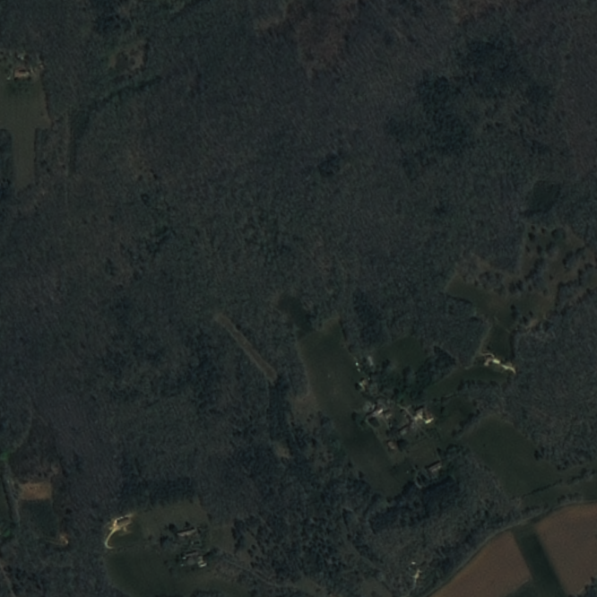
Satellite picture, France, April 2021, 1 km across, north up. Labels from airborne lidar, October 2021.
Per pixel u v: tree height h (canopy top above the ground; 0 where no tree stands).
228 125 21
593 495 0
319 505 6
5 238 14
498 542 0
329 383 0
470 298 0
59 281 18
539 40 10
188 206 20
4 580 11
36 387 20
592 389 21
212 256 8
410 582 10
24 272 18
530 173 15
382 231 19
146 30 10
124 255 11
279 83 19
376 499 14
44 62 19
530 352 21
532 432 14
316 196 19
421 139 20
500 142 14
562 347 25
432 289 22
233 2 20
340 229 20
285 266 18
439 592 0
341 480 7
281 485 9
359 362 9
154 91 18
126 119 14
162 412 23
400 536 17
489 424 0
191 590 0
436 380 18
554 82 16
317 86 18
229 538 0
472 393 22
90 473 19
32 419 18
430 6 16
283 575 16
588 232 24
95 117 21
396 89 18
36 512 14
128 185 15
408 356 0
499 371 8
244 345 0
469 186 22
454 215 23
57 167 8
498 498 13
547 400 24
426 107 21
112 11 13
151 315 20
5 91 0
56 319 21
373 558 17
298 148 19
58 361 18
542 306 0
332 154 17
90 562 22
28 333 22
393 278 20
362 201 17
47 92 16
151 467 21
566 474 0
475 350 20
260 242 17
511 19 20
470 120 21
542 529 0
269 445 17
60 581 20
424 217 22
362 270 18
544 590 0
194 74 20
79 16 18
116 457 18
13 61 14
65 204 9
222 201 19
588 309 19
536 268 8
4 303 21
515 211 21
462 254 13
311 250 18
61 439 21
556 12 12
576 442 12
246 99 17
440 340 20
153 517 0
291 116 17
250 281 19
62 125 15
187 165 15
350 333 20
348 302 24
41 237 16
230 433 15
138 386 17
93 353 14
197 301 23
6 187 7
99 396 18
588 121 12
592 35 12
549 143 10
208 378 14
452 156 21
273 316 17
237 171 12
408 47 18
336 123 17
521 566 0
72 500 18
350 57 18
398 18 18
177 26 24
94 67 22
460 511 17
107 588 18
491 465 0
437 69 17
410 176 18
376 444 0
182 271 18
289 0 20
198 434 19
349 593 6
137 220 19
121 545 0
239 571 13
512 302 0
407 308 24
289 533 15
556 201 8
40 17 19
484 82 16
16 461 6
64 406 20
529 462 0
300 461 15
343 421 0
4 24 18
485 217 16
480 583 0
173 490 22
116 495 16
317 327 20
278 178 20
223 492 21
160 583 0
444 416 7
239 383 19
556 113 9
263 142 20
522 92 15
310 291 21
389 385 7
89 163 14
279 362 19
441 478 7
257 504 15
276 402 17
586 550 0
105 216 10
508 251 21
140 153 12
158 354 19
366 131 18
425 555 14
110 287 14
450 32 17
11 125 0
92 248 12
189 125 19
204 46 23
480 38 19
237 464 18
